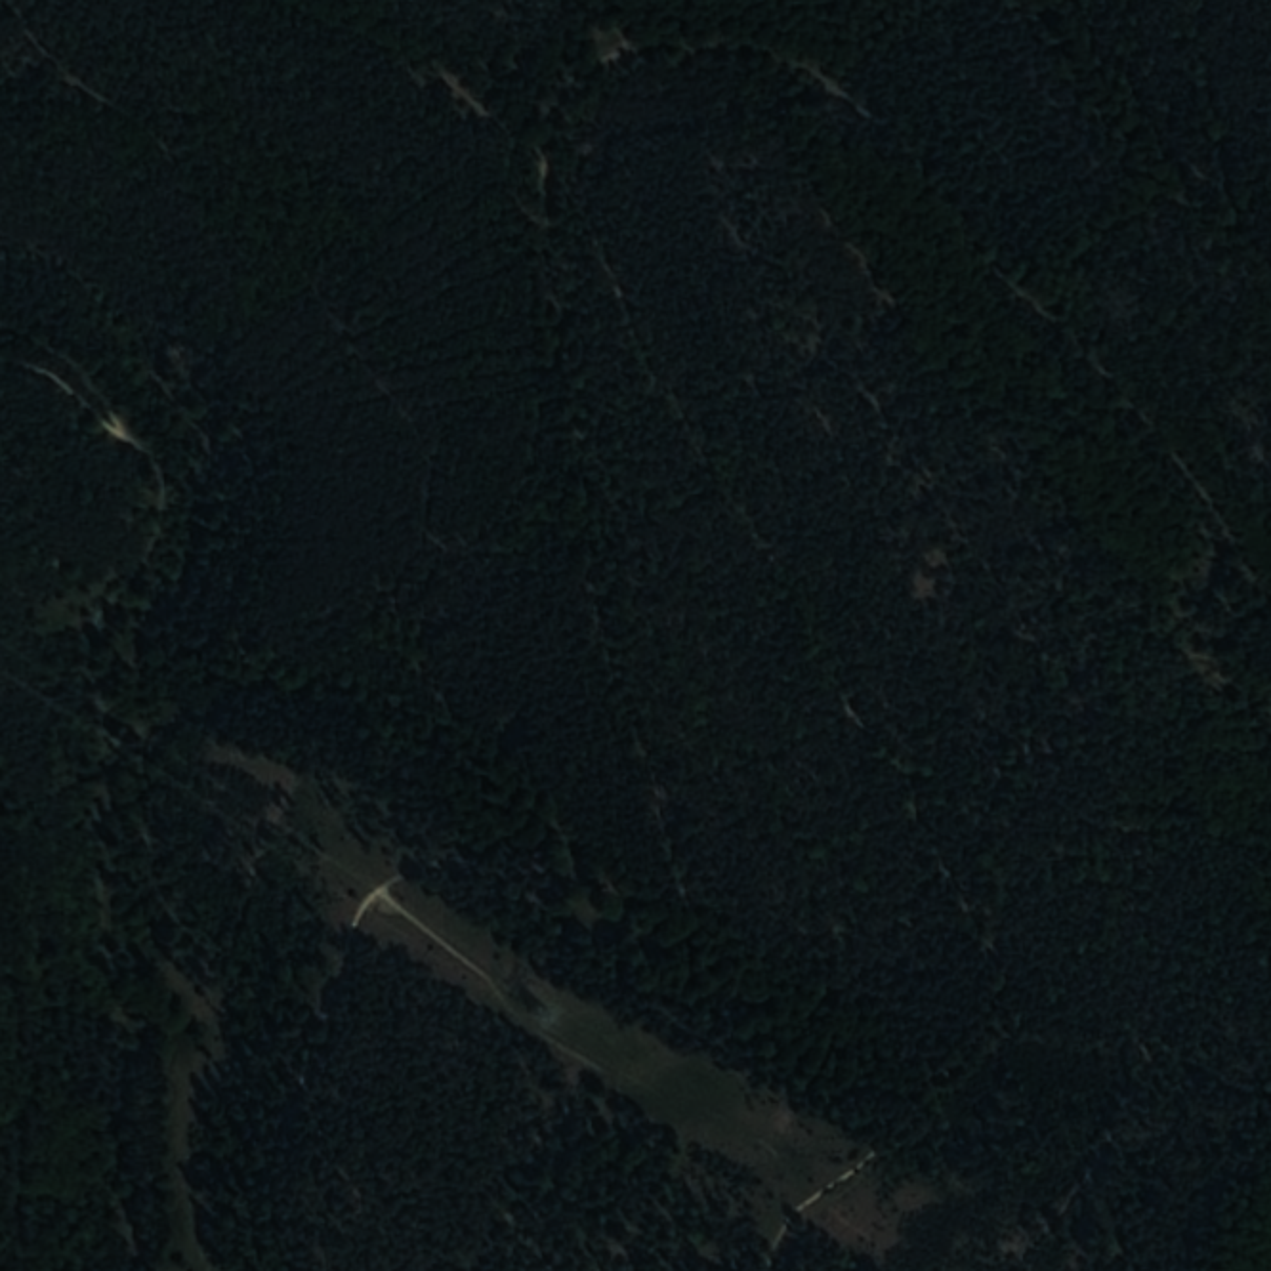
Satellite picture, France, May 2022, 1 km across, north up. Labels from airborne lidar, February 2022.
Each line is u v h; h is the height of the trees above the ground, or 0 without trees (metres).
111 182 20
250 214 18
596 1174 27
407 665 11
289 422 22
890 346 21
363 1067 27
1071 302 17
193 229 20
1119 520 26
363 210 21
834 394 20
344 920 0
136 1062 29
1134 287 24
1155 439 23
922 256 25
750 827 18
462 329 14
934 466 24
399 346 17
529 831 32
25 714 13
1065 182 30
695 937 26
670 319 21
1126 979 20
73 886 9
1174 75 24
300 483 20
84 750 9
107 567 8
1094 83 31
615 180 23
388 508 19
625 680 19
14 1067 19
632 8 26
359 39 24
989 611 13
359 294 17
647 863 27
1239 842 24
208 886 13
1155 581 24
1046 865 17
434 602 15
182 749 10
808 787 18
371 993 22
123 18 23
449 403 17
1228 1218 17
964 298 28
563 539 18
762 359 19
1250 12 22
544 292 14
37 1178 24
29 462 11
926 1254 6
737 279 18
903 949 25
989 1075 8
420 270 20
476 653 20
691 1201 28
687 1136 0
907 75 20
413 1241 23
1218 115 28
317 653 13
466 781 30
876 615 24
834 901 21
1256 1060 24
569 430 19
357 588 14
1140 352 17
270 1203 30
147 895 7
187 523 11
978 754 19
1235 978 24
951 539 20
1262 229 30
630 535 22
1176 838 22
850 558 23
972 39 30
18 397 9
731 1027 20
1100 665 21
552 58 21
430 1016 27
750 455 21
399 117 22
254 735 24
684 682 22
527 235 17
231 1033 13
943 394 26
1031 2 22
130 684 18
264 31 19
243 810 6
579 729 26
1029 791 24
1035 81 39
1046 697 22
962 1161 28
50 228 13
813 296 12
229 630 20
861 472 23
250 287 13
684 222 21
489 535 13
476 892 20
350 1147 26
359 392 14
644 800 28
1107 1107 7
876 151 33
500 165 18
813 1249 22
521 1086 24
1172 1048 24
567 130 19
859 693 22
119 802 14
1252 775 22
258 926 10
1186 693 27
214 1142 9
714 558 19
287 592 18
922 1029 29
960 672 10
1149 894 26
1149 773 23
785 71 9
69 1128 24
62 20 21
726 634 18
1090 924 20
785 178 13
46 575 10
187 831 13
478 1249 27
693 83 14
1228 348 21
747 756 19
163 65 14
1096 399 26
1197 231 21
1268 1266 21
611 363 18
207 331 12
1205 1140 6
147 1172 23
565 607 19
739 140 13
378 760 23
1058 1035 21
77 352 13
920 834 24
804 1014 20
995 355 27
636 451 21
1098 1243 27
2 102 18
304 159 17
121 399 15
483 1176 27
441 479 17
